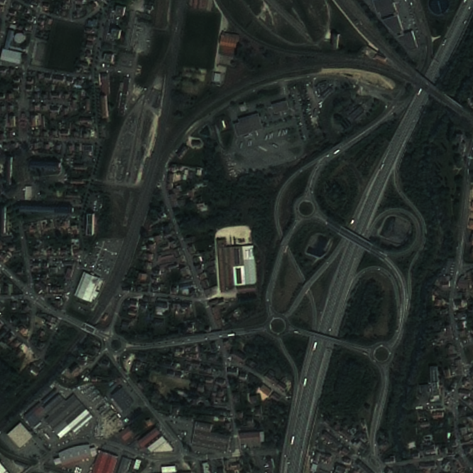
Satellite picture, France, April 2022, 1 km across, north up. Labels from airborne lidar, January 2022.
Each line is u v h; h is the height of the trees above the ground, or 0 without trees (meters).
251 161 0
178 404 7
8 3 0
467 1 0
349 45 0
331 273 0
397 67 0
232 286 7
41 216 0
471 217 0
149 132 0
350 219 0
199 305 0
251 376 7
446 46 0
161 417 0
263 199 7
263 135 0
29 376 0
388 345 0
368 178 0
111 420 0
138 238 0
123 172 0
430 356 0
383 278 0
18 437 0
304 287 0
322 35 0
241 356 0
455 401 0
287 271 0
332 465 0
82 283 0
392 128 7
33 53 0
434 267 7
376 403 0
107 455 0
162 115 0
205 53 0
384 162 0
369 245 0
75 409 0
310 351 0
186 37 0
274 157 0
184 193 0
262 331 0
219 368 0
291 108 0
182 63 0
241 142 0
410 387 19
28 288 0
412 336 21
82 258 0
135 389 0
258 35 0
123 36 10
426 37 0
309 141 0
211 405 10
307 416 0
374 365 0
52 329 0
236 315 0
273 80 0
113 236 0
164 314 8
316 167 0
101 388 0
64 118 9
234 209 13
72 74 0
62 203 0
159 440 0
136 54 0
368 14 15
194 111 0
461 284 0
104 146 0
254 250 11
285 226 0
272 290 0
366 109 0
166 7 0
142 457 0
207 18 0
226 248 0
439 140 17
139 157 0
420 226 0
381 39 0
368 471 0
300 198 0
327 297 0
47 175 0
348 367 16
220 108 0
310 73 0
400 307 0
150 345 0
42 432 0
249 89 0
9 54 0
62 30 0
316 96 0
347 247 0
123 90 0
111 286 0
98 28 6
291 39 0
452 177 0
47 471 0
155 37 0
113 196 0
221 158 14
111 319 0
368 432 0
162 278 0
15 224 15
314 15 0
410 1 0
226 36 0
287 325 0
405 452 10
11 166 0
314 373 0
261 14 0
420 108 0
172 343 0
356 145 6
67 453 0
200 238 0
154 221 6
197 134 0
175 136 0
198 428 0
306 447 0
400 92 0
